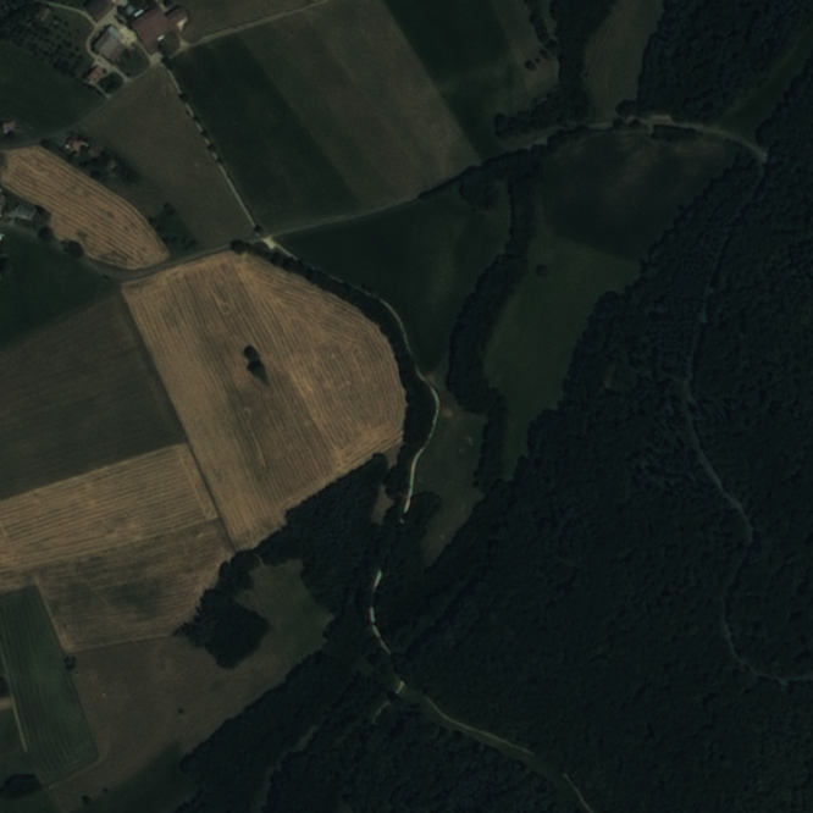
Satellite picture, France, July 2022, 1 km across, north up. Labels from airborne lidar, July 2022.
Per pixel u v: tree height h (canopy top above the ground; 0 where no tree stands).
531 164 17
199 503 0
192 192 0
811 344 15
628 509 26
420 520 12
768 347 20
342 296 17
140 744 0
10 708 0
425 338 0
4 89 0
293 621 0
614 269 0
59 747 0
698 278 19
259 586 0
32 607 0
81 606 0
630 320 25
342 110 0
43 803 0
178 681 0
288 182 0
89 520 0
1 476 0
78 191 0
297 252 0
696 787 23
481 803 22
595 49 0
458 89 0
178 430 0
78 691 0
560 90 7
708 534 23
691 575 23
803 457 14
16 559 0
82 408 0
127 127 0
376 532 13
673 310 20
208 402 0
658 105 18
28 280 0
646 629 21
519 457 0
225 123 0
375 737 22
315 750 10
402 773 20
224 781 26
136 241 0
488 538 13
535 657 16
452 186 13
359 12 0
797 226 24
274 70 0
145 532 0
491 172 19
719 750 23
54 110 0
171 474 0
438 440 0
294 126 0
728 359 20
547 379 0
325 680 25
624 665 21
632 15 0
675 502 18
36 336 0
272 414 0
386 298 0
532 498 24
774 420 26
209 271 0
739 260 21
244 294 0
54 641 0
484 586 26
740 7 20
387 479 15
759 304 18
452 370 13
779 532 23
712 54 18
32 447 0
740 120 0
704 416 25
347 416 0
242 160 0
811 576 28
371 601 24
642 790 19
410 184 0
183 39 0
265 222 0
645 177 0
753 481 19
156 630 0
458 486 0
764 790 10
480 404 18
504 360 0
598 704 22
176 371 0
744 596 20
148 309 0
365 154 0
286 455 0
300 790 25
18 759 0
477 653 21
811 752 17
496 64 0
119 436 0
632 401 22
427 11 0
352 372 0
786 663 18
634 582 18
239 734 24
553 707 17
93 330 0
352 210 0
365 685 12
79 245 12
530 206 27
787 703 18
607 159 0
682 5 27
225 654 23
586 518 27
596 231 0
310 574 18
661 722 19
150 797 0
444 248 0
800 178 20
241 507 0
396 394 0
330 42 0
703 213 21
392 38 0
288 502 0
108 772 0
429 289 0
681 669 17
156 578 0
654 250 13
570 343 0
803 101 23
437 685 21
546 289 0
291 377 0
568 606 19
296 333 0
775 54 30
